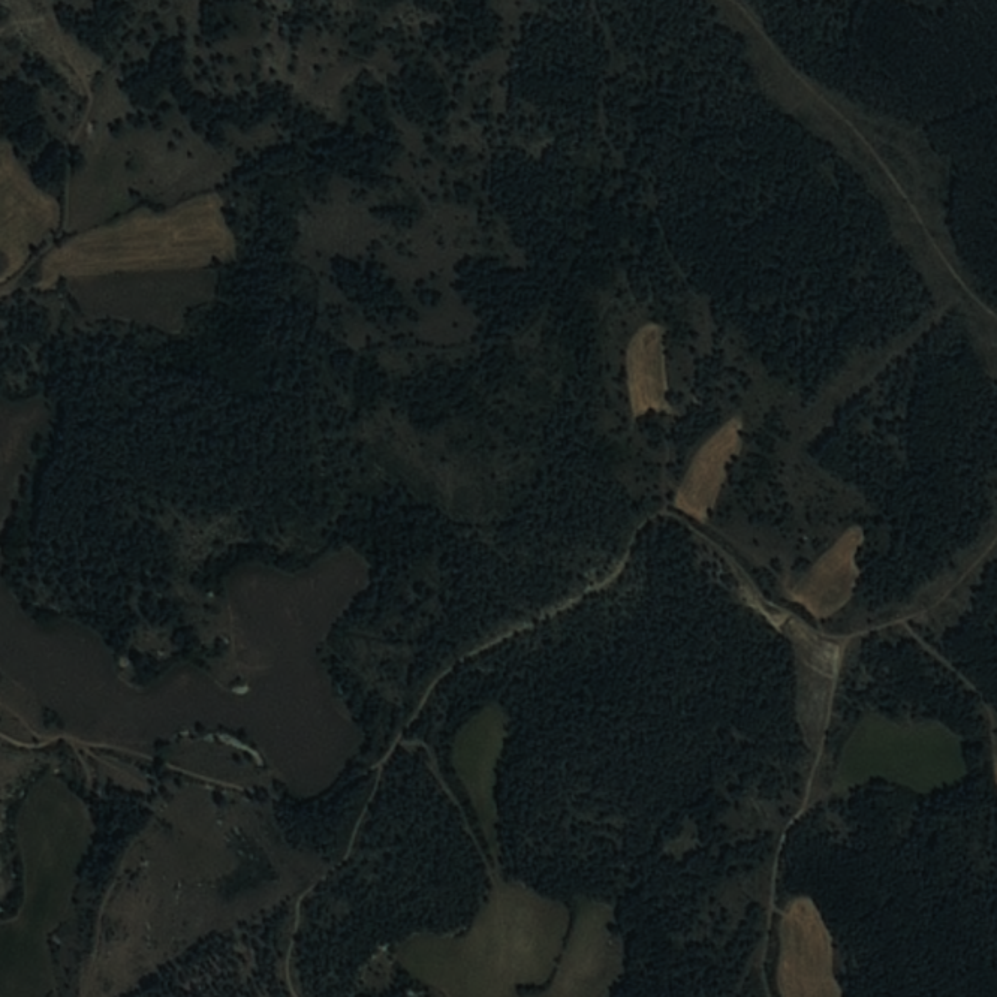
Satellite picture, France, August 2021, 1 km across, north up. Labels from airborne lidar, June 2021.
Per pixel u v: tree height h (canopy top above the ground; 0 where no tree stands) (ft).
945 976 50
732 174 47
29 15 0
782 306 32
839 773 0
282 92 21
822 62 37
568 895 54
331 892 29
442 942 0
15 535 39
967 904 36
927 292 27
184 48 25
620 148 33
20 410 0
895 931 56
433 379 24
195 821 0
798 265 47
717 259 53
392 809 39
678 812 42
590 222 35
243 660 0
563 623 37
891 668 30
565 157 27
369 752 33
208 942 27
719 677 37
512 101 37
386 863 37
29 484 41
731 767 38
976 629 46
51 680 0
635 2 41
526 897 0
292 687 0
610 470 33
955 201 48
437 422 22
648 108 39
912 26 49
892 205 0
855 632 0
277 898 0
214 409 30
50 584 42
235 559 27
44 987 0
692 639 36
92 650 0
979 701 36
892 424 27
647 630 37
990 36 43
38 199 0
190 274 0
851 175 41
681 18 33
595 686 57
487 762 0
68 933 0
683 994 37
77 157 54
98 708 0
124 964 0
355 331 0
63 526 41
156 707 0
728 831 26
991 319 0
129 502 31
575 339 28
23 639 0
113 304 0
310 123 37
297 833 48
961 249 50
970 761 38
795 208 45
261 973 31
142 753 0
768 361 44
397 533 50
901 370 36
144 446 39
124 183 0
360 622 33
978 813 37
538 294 38
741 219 39
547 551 30
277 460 50
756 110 31
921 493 52
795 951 0
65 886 0
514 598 34
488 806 0
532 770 28
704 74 28
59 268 0
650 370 0
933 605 0
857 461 43
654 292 40
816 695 0
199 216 0
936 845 52
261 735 0
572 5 25
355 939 47
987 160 46
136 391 36
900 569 40
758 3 35
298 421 42
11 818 25
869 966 41
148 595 37
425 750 31
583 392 31
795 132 63
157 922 0
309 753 0
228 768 0
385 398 18
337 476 31
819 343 29
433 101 28
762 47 0
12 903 41
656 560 39
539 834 24
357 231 0
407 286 0
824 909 47
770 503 29
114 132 50
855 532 0
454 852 52
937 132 52
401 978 22
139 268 0
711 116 35
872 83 42
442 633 32
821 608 0
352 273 54
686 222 43
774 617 0
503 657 32
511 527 38
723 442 0
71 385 58
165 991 49
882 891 47
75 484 57
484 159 31
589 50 48
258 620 0
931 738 0
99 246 0
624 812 29
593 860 34
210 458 42
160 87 51
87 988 0
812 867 67
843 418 52
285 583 0
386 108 31
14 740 0
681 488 0
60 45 0
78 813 0
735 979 21
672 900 28
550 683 60
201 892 0
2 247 0
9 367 37
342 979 41
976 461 32
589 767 26
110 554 38
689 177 29
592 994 0
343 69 0
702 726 45
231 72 0
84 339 26
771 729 28
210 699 0
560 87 57
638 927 45
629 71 27
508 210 43
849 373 0
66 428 59
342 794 37
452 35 40
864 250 39
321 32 25
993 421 34
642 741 35
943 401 48
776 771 31
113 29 39
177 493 34
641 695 43
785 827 0
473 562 37
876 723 0
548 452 28
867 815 47
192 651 28
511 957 0
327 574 0
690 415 34
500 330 29
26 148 51
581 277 36
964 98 46
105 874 53
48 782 0
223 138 41
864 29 54
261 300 48
